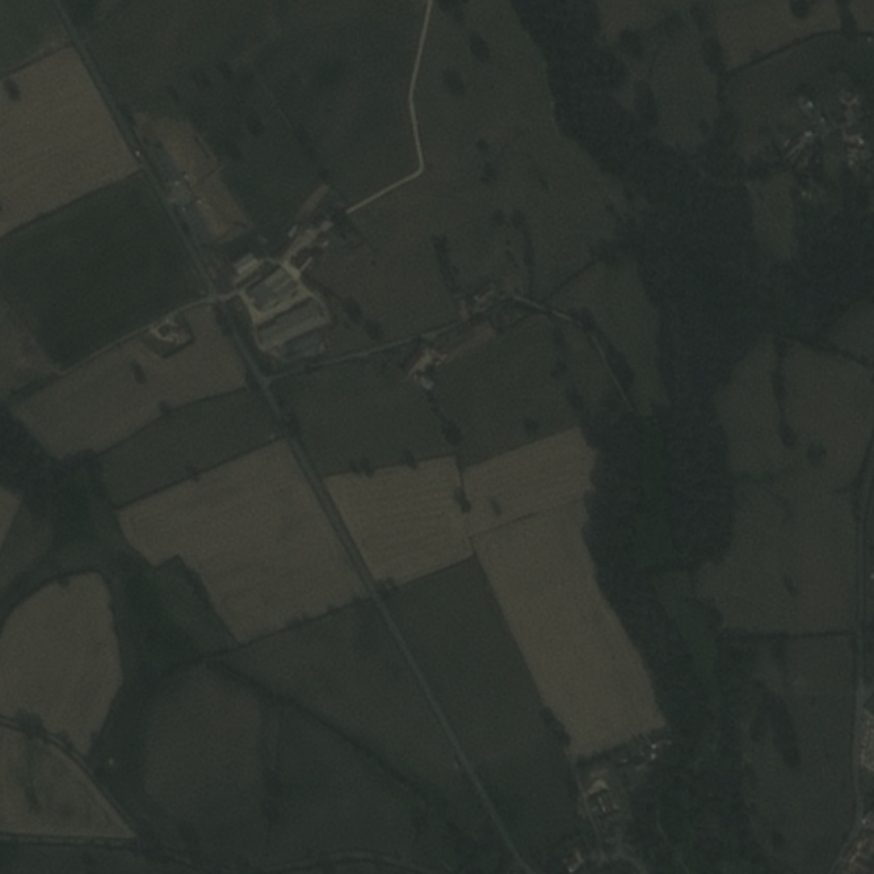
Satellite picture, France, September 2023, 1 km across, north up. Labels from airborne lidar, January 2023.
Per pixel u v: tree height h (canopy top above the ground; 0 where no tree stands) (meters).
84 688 0
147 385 0
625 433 25
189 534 0
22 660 0
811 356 0
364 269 0
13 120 0
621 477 22
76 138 0
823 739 0
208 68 0
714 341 25
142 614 0
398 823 0
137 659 0
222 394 0
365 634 0
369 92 0
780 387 16
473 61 0
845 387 0
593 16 12
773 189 0
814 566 0
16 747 0
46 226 0
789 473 0
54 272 0
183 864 7
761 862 12
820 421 0
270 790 14
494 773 0
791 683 0
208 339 0
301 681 0
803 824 0
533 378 0
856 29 14
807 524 0
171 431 0
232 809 0
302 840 0
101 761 0
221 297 0
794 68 0
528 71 0
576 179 0
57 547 0
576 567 0
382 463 0
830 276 7
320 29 0
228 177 0
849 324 0
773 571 0
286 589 0
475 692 0
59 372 0
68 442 0
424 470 0
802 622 0
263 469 0
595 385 0
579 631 0
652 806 17
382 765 6
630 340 0
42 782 0
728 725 20
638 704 0
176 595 0
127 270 0
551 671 0
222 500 0
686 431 12
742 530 0
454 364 0
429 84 0
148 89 0
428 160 0
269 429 0
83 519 0
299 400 0
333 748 0
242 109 0
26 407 0
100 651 0
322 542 0
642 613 22
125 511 0
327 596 0
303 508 0
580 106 21
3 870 0
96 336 0
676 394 22
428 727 0
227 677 8
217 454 0
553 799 0
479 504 0
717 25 0
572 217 0
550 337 0
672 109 0
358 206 0
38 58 0
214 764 0
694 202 18
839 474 0
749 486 0
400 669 0
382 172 0
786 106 0
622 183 0
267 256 0
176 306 0
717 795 10
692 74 0
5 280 0
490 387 0
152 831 16
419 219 0
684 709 17
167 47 0
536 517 0
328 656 0
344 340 0
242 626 0
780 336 11
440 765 0
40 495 19
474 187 0
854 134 0
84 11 0
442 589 0
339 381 0
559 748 0
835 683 0
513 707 0
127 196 0
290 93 0
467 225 0
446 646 0
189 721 0
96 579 0
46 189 0
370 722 0
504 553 0
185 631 0
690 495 15
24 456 10
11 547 0
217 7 0
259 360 0
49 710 0
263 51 0
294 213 0
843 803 0
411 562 0
